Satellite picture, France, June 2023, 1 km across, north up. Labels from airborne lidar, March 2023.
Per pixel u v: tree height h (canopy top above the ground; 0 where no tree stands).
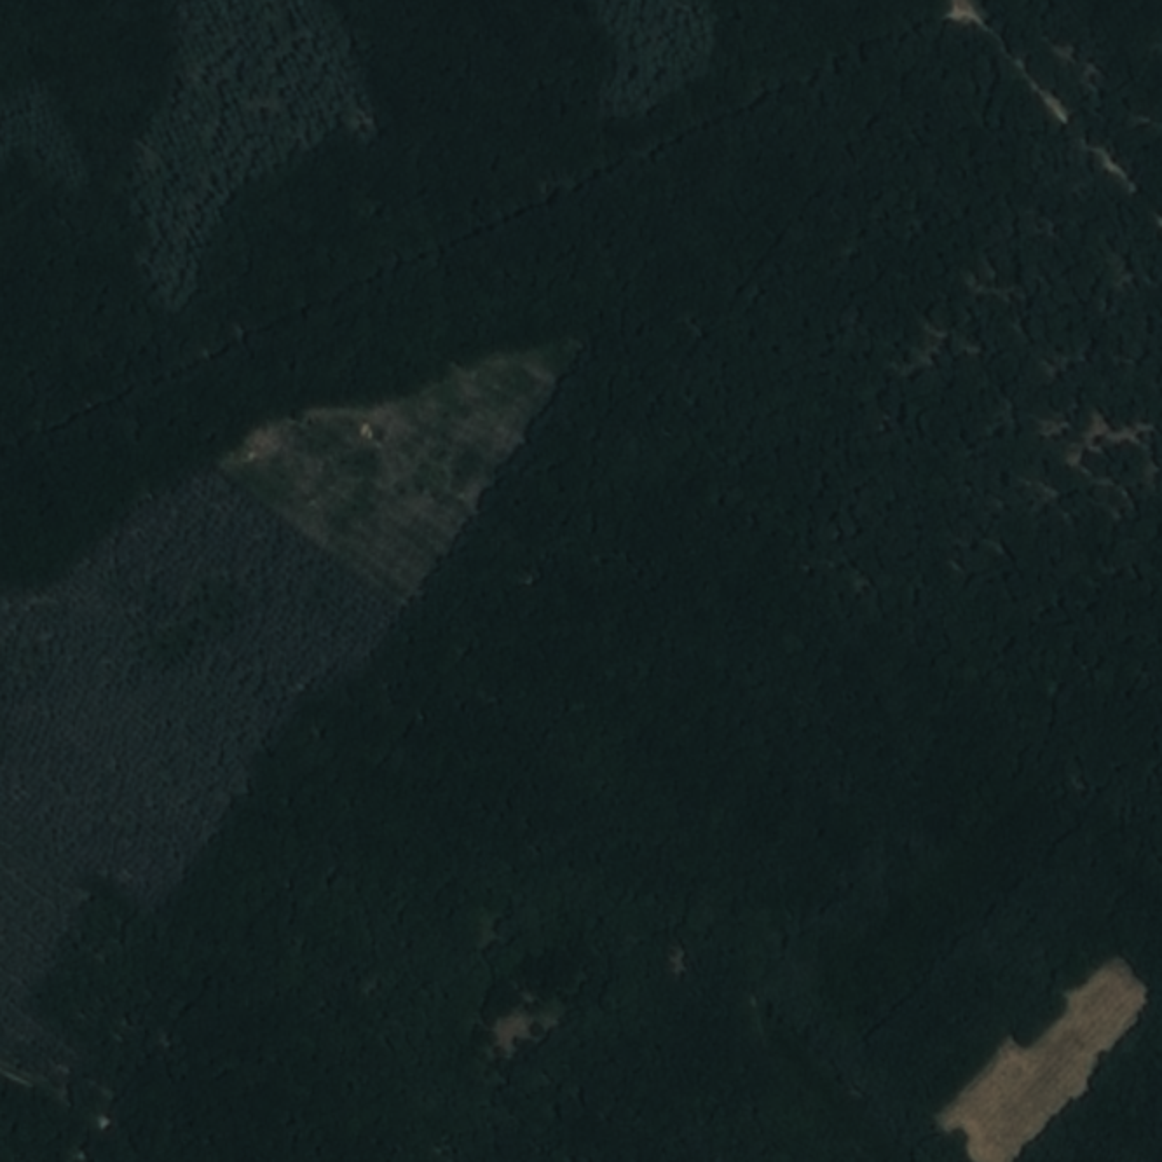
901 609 26
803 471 31
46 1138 25
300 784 27
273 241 29
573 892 25
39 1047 16
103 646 22
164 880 15
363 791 18
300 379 25
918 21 28
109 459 29
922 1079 23
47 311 28
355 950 22
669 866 21
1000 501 33
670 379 24
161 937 22
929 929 10
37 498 28
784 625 25
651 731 23
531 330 26
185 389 27
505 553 23
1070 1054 0
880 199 28
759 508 27
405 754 22
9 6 32
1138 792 27
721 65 26
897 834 21
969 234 29
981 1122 0
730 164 28
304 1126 25
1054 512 27
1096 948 23
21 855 17
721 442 30
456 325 28
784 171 30
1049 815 12
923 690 25
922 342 30
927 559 28
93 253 30
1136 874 25
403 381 26
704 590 24
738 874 20
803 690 22
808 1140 16
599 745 19
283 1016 22
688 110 23
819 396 30
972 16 0
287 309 23
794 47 29
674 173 26
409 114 29
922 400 32
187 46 30
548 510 24
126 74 30
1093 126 26
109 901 20
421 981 21
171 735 20
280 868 20
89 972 21
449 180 29
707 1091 19
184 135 24
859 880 23
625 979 20
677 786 24
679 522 26
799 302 29
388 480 0
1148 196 30
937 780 23
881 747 23
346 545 0
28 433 26
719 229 26
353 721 25
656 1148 25
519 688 21
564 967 14
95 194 25
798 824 24
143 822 18
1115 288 29
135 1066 23
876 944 8
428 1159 23
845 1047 19
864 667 26
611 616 23
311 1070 27
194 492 20
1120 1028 0
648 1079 21
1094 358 13
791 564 24
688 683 25
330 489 0
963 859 11
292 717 24
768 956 17
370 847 21
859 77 28
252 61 29
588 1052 22
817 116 27
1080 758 26
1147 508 27
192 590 14
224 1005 23
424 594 13
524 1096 25
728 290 26
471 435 0
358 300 29
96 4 31
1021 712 28
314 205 31
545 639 25
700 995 19
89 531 23
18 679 19
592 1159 27
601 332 27
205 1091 24
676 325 27
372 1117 24
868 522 32
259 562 17
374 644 17
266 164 32
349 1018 23
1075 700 27
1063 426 12
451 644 18
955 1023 23
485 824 23
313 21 26
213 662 18
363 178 30
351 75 24
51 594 19
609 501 25
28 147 30
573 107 30
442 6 31
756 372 29
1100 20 24
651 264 30
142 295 25
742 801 23
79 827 19
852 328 28
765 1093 20
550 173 30
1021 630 31
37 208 29
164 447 27
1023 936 21
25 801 17
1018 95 30
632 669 24
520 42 30
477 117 32
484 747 23
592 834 21
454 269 27
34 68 24
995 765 23
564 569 27
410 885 20
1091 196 28
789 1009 20
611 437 28
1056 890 21
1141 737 30
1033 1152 16
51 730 18
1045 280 21
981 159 29
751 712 25
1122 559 32
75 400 26
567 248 32
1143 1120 24
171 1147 22
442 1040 21
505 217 22
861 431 31
